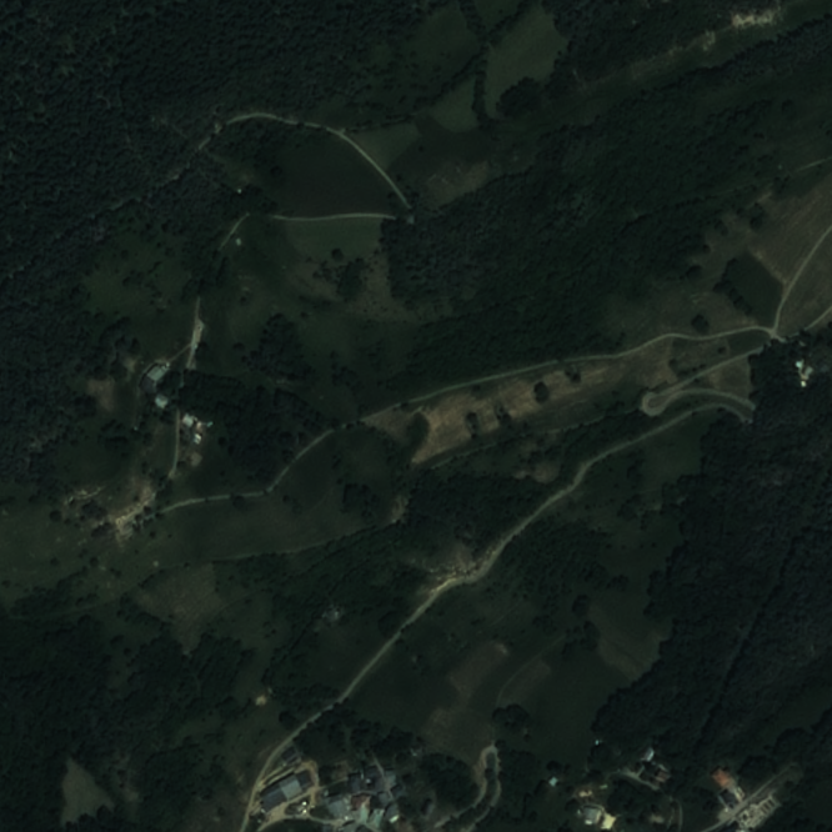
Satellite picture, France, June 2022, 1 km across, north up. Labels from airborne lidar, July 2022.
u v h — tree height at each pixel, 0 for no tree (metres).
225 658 12
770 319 0
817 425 19
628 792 20
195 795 8
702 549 23
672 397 0
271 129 13
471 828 0
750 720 7
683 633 22
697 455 0
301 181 0
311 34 16
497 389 0
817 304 0
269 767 0
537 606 0
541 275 11
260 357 23
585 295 14
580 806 15
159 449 0
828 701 0
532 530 13
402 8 26
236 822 0
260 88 18
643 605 0
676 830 6
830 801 0
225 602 0
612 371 0
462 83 12
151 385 0
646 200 15
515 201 16
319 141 15
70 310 19
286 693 11
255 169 7
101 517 13
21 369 16
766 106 15
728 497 18
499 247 17
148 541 0
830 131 9
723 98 0
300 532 0
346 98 16
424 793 0
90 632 17
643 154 18
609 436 17
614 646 0
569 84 10
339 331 0
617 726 12
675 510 18
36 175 22
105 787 9
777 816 11
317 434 20
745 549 18
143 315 0
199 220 15
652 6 19
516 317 18
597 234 11
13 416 17
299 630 11
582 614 19
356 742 10
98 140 16
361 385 14
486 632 0
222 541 0
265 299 0
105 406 0
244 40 21
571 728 0
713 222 6
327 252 0
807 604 21
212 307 0
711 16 10
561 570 13
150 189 18
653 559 0
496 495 18
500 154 0
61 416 20
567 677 0
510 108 10
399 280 13
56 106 22
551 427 0
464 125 0
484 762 0
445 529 17
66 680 20
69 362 21
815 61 20
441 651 0
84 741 19
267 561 17
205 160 16
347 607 9
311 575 7
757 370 19
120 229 15
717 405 0
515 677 0
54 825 19
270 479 20
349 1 6
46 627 8
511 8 0
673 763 12
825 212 0
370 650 0
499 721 11
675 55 0
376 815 0
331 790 0
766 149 0
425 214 20
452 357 9
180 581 0
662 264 8
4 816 13
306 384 20
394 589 7
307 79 18
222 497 0
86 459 0
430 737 0
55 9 22
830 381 7
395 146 0
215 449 0
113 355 17
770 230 0
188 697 7
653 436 0
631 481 12
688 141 13
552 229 20
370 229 0
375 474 0
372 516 13
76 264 20
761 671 11
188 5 13
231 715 15
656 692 10
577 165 23
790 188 8
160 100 20
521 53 0
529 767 17
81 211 10
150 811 15
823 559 22
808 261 0
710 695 18
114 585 0
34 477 10
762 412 13
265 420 26
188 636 0
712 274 0
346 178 0
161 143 21
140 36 28
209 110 19
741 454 15
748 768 15
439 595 0
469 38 0
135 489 0
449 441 0
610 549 10
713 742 15
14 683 21
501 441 7
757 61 17
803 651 9
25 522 0
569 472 11
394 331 0
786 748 16
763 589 11
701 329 14
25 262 17
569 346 18
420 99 10
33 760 14
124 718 10
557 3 18
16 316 31
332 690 9
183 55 26
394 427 0
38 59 27
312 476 0
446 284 22
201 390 18
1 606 13
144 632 0
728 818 0
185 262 9
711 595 25
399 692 0
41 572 0
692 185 19
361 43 19
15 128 32
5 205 20
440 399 0
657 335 0
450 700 0
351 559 10
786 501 17
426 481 16
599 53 26
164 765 18
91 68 17
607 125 13
